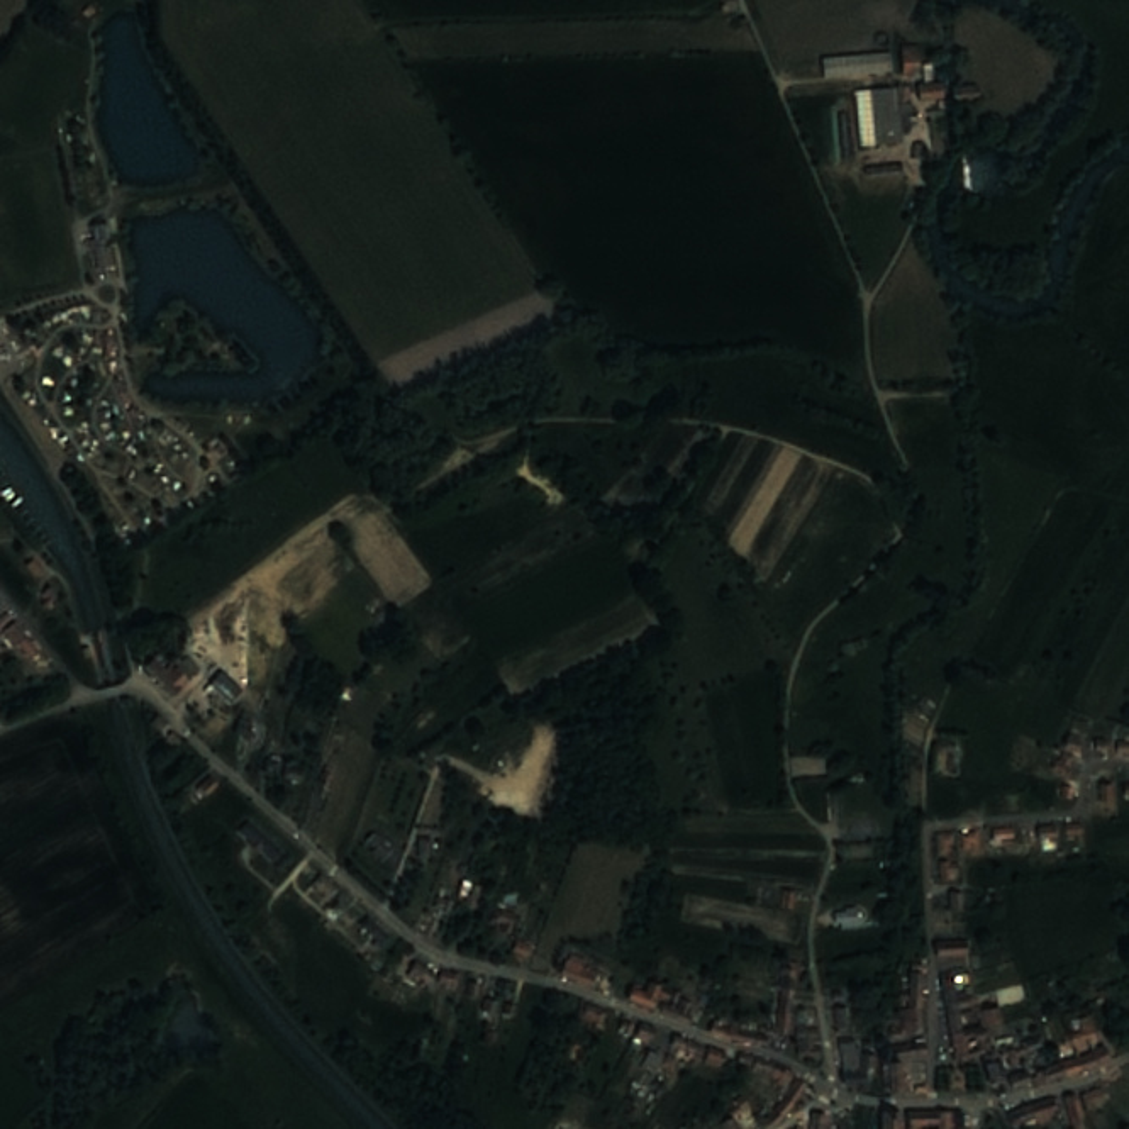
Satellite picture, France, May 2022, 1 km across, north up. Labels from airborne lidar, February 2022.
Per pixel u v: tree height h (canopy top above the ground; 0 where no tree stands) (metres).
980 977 0
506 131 0
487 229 0
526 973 0
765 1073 0
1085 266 0
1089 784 0
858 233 0
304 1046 0
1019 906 0
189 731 0
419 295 0
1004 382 0
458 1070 18
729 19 0
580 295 0
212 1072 29
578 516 0
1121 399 0
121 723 0
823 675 0
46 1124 14
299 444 14
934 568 0
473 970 0
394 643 24
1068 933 0
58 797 0
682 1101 0
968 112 9
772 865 0
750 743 0
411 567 0
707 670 0
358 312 0
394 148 0
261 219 7
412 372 0
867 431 7
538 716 21
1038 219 0
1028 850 0
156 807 0
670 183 0
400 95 0
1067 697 0
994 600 0
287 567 0
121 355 0
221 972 0
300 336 0
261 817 0
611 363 24
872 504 0
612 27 0
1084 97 22
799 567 0
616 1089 0
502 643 0
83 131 9
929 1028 0
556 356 0
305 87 0
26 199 0
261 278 0
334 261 0
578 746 19
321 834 0
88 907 0
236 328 0
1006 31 0
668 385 0
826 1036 0
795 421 0
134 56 0
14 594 0
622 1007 0
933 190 10
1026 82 0
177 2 0
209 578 0
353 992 0
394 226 0
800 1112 0
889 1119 0
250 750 0
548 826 6
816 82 0
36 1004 0
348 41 0
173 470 0
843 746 0
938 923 0
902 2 0
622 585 0
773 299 0
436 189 0
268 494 0
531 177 0
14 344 0
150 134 0
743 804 0
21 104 0
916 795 0
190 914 0
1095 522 0
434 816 0
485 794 0
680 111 0
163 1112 0
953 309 16
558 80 0
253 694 0
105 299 0
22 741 0
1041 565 0
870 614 0
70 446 0
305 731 0
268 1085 0
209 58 0
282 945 0
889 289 0
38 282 0
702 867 0
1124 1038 17
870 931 0
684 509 20
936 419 0
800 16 0
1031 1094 0
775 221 0
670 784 0
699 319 0
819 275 0
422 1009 0
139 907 0
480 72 0
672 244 0
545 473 6
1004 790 0
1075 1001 10
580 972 0
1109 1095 0
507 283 0
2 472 0
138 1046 24
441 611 0
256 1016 0
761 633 0
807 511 0
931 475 0
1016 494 0
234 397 0
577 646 0
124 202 0
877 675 0
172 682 0
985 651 0
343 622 0
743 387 0
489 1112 0
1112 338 0
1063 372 0
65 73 0
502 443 0
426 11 0
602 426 0
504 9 0
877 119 0
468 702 0
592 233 0
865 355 0
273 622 0
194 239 0
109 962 0
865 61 0
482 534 0
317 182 0
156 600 0
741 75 0
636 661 20
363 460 14
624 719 19
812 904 0
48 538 0
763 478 0
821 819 0
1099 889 0
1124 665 0
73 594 0
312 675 11
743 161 0
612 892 0
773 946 0
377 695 0
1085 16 0
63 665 0
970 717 0
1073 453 0
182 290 0
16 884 0
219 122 0
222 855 0
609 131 0
